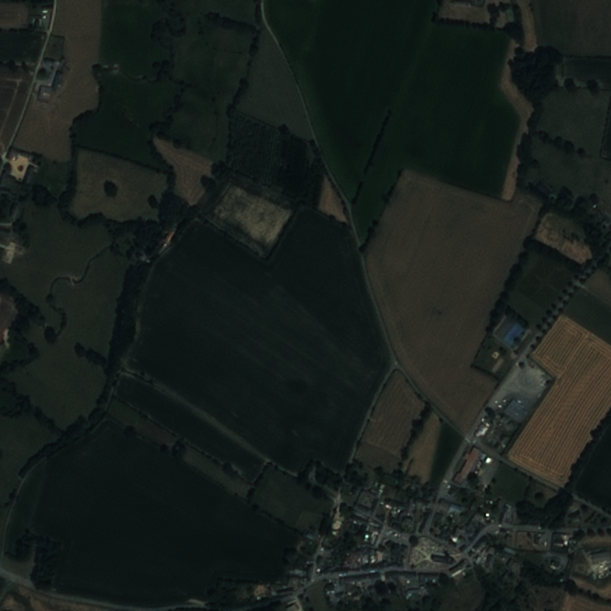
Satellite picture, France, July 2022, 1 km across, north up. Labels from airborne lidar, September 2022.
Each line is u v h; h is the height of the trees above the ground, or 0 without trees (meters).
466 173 0
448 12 0
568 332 0
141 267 15
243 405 0
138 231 28
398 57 0
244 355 0
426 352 0
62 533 0
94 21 0
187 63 0
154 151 9
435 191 0
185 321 0
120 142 0
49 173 0
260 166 7
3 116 0
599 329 0
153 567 0
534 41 0
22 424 0
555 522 7
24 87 0
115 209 0
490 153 0
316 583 0
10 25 0
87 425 19
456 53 0
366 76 0
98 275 0
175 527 0
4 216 12
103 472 0
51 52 0
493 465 0
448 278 0
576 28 0
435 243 0
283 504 0
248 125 5
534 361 0
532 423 0
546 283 0
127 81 0
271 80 0
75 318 0
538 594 6
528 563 6
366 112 0
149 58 0
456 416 0
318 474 11
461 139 0
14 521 0
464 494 8
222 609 10
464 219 0
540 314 0
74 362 0
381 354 0
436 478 0
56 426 23
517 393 0
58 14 0
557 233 0
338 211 0
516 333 0
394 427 0
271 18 0
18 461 0
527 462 0
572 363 0
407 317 0
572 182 0
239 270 0
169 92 0
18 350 0
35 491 0
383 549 8
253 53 8
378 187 0
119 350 28
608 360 0
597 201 7
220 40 0
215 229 6
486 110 0
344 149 0
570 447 0
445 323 0
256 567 0
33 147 0
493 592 7
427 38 0
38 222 0
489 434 0
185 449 20
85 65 0
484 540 6
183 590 0
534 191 20
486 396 0
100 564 0
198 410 0
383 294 0
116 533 0
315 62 0
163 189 0
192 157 0
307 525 0
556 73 26
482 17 0
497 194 0
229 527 0
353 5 0
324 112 0
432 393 0
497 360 0
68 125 0
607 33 0
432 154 0
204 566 0
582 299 0
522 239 0
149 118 0
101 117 0
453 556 0
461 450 0
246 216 0
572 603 0
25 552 23
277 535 0
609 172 0
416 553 0
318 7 0
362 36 0
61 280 0
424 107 0
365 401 0
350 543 5
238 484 0
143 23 0
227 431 0
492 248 0
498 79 0
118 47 0
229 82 0
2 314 0
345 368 0
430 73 0
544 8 0
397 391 0
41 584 21
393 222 0
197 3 0
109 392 8
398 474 9
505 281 0
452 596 0
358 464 11
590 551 0
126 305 30
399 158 0
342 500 0
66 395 0
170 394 0
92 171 0
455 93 0
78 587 0
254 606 10
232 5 0
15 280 0
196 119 0
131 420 0
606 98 0
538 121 10
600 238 21
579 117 0
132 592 0
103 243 0
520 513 12
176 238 15
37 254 0
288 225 6
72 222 11
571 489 10
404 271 0
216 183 14
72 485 0
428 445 0
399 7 0
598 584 0
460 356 0
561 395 0
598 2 0
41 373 0
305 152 14
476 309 0
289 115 0
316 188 9
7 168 8
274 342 0
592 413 0
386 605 16
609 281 0
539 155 0
